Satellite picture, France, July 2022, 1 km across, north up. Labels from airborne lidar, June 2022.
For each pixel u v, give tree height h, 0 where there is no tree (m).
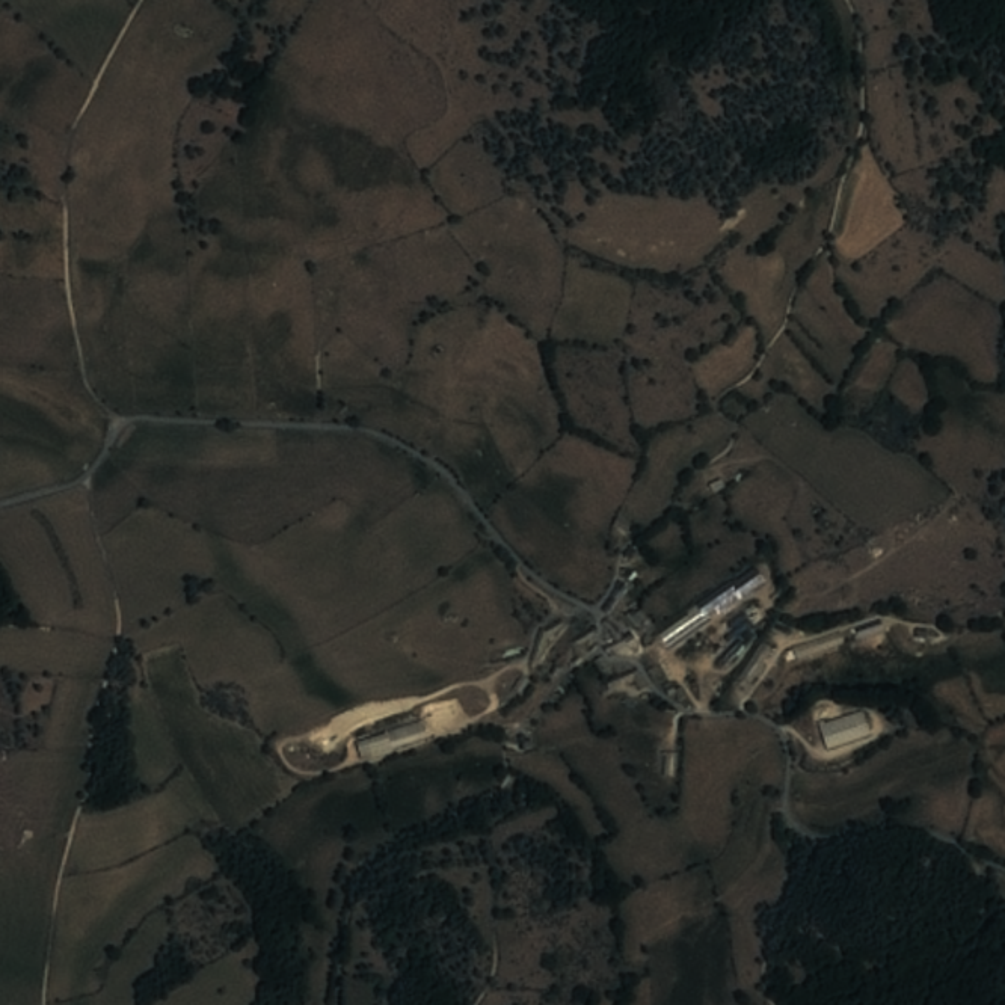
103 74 0
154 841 0
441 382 0
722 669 0
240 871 8
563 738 0
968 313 0
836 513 0
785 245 0
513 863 12
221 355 0
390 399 0
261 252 0
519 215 0
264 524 0
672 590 0
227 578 0
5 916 0
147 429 0
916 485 0
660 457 0
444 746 17
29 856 0
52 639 0
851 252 0
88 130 0
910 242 0
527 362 0
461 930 14
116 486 0
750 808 0
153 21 0
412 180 0
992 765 0
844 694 24
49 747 0
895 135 0
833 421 15
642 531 11
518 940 0
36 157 0
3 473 0
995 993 21
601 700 0
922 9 0
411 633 0
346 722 0
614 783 0
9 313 0
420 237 0
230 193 0
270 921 16
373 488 0
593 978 0
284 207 0
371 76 0
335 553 0
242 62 10
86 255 0
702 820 0
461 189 0
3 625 12
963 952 17
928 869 16
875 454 0
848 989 12
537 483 0
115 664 13
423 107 0
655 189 9
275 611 0
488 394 0
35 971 0
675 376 0
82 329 0
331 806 0
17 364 0
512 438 0
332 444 0
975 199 11
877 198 0
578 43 8
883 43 0
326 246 0
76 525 0
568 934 0
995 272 0
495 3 8
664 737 0
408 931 15
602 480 0
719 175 13
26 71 0
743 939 0
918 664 0
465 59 0
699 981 0
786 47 19
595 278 0
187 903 0
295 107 0
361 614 0
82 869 0
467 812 16
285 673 0
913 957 21
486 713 0
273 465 0
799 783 0
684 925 0
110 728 14
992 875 14
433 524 0
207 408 0
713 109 0
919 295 0
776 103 15
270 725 0
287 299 0
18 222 0
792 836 11
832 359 0
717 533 0
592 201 14
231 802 0
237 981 0
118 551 0
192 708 0
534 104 10
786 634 0
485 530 9
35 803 0
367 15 0
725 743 0
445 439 0
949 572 0
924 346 0
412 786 0
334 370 0
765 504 0
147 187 0
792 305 6
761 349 8
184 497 0
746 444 0
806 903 19
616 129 12
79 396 0
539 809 14
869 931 17
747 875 0
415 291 0
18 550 0
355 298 0
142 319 0
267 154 0
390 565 0
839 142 10
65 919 0
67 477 0
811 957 12
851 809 0
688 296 13
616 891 20
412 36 0
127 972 0
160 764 0
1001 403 0
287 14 0
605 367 0
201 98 16
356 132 0
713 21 19
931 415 16
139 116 0
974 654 0
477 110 0
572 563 0
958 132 12
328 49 0
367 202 0
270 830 0
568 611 0
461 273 0
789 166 15
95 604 0
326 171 0
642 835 0
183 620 0
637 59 13
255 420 0
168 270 0
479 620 0
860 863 19
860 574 0
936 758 0
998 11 20
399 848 14
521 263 0
